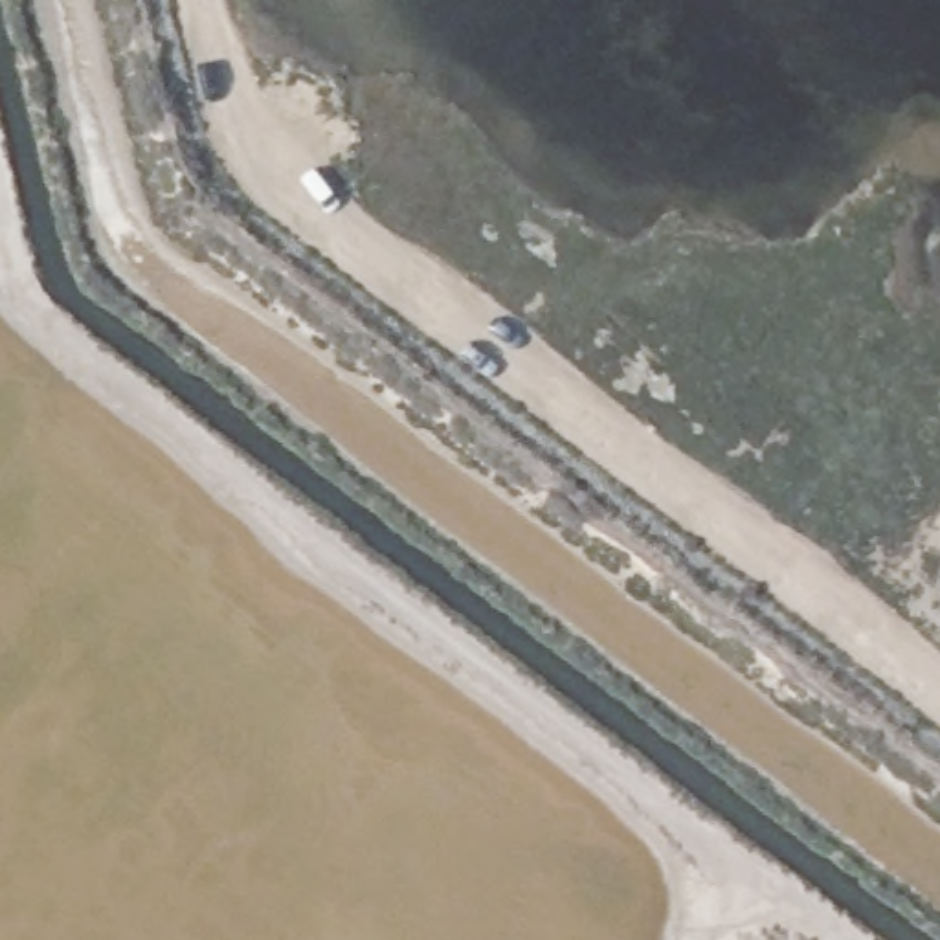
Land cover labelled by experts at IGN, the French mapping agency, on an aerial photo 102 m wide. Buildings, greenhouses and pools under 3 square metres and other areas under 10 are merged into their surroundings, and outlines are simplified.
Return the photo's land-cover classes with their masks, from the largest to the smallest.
<instances>
[{"label":"water","instance_id":"1","mask_svg":"<svg viewBox=\"0 0 940 940\"><path fill-rule=\"evenodd\" d=\"M257 15L275 22V33L283 40H294L301 51H312L323 66H349L356 77L411 73L441 99L463 106L485 132L492 154L525 187H532L551 206L580 213L591 228H602L617 239H635L661 213L698 217L738 235L793 239L804 235L841 195L856 191L878 169V162H896L903 173L929 176L918 191L922 202L911 235L925 239V250H940V0H250ZM0 129L37 279L44 294L73 323H81L103 349H110L118 360H125L158 389H165L187 415H195L206 430L224 437L239 455L264 470L297 503L312 507L327 525L341 529L367 558L389 565L404 584L437 602L452 621L470 628L492 650L510 657L525 676L547 687L565 709H573L606 738H613L624 753L654 767L683 800L720 819L738 841L764 852L782 870L797 874L808 889H815L823 900H830L841 914H848L859 929L874 933L878 940H929L907 918L878 903L870 892H863L830 859H819L778 823L745 804L723 778L690 760L679 745L650 731L595 679L580 676L554 650L532 639L525 628H518L510 617L492 610L441 562L404 543L367 507L353 503L341 488L323 481L305 459L290 455L283 444L264 437L198 375H187L140 330L92 305L77 290L62 261L48 187L37 165L29 114L18 88L15 51L7 44L0 18ZM668 918V889L661 867L650 856V848L591 789L569 778L558 764L536 753L503 720L485 712L437 672L411 661L382 635H375L327 591L290 573L253 536V529L242 518L224 510L154 441L125 426L77 382H70L40 349H33L0 316V940H661Z\"/></svg>","mask_w":940,"mask_h":940},{"label":"herbaceous vegetation","instance_id":"2","mask_svg":"<svg viewBox=\"0 0 940 940\"><path fill-rule=\"evenodd\" d=\"M0 18L7 44L15 51L18 88L29 114L37 165L48 187L62 261L77 290L92 305L140 330L187 375H198L264 437L283 444L290 455L305 459L323 481L341 488L353 503L367 507L404 543L441 562L492 610L510 617L518 628H525L532 639L554 650L580 676L595 679L650 731L679 745L690 760L723 778L745 804L778 823L819 859H830L863 892H870L878 903L907 918L929 940H940V907L911 892L907 885L892 881L885 870L870 867L852 845L823 830L782 793H775V786L764 775L734 760L698 723L676 716L661 698L643 690L632 676L613 668L595 646L573 635L558 617L543 613L492 569L474 562L455 540L430 529L389 488L360 474L353 463H345L323 433L297 426L279 404L257 397L250 382L224 367L173 316L143 301L114 275L92 235V209L70 143V121L59 103L55 66L40 37L33 0H0ZM103 33V51L110 62V81L121 103V125L129 136L136 184L151 224L165 235L169 246H176L187 261L209 268L217 279H228L235 272L257 279V305L283 301L286 308H294L312 327L316 349H334L345 371H356V360H364L371 375H378V393H400V408L411 426L433 433L470 470L496 474V485H503L507 492L521 496L532 488V477L518 463L521 452H532L540 463L554 470V477H562L547 503L536 507L540 521L554 525L591 562L621 569L628 565V558L584 536V521L610 518L628 525L632 536H639L657 554L672 558L676 569H683L701 591L738 606L775 643L789 646L800 661L830 676V683L848 690L856 701L870 705L889 727L907 734L925 756L940 764V723L929 720L889 679L852 661V654H845L826 632L804 621L797 610H789L764 580L738 569L705 536L665 514L654 499L639 496L599 459H591L580 444L562 437L525 400L510 397L470 360L419 330L404 312L375 297L360 279L338 268L334 257L308 246L283 220L268 217L261 239H253L235 217L220 213L213 202L187 198V165L180 158V140H151V129L173 118L169 95L158 81V55L129 51L132 33L151 22L147 0H92ZM261 88L312 84L319 95V114L345 118L356 129L349 158H334L319 173L334 202L360 206L393 235L422 246L426 253L463 272L474 286H481L503 305V316L525 319L529 312H536V334L554 353H562L576 371H584L613 404H621L639 422L654 426L668 444H676L705 470L742 488L749 499L771 510L775 521L826 547L837 558V565L859 580L870 569L874 547L907 554L918 525L940 514V250H925V239L911 235L922 202L918 191L929 176L903 173L896 162H878V169L856 191L841 195L804 235L793 239L738 235L698 217L661 213L635 239H617L602 228H591L580 213L551 206L532 187H525L492 154L485 132L463 106L441 99L411 73L356 77L349 66H323L312 51H301L294 40H283L275 33V22L257 15L250 0H224ZM521 220H532L543 231H551L554 261H540L529 253L521 239ZM639 349L650 353V367L657 375L672 378V400H657L650 397V389L628 393L617 386V378ZM628 595L665 613L683 635L731 661L734 672L753 661V654L742 643L716 639L701 624H694L668 595L654 591L643 576H635L628 580ZM789 716L845 745L856 760L889 767L896 778L918 789L933 786L925 771H918L911 760L885 745L878 731L852 727L845 712L819 701H782Z\"/></svg>","mask_w":940,"mask_h":940},{"label":"pervious surface","instance_id":"3","mask_svg":"<svg viewBox=\"0 0 940 940\"><path fill-rule=\"evenodd\" d=\"M40 37L55 66L59 103L70 121V143L92 209V235L114 275L143 301L173 316L224 367L250 382L257 397L279 404L297 426L323 433L345 463H353L360 474L389 488L430 529L455 540L474 562L492 569L543 613L558 617L573 635L595 646L613 668L632 676L643 690L661 698L676 716L698 723L734 760L764 775L775 786V793H782L823 830L852 845L870 867L885 870L892 881L907 885L911 892L940 907V764L925 756L907 734L889 727L870 705L856 701L848 690L830 683V676L800 661L789 646L775 643L738 606L701 591L683 569H676L672 558L657 554L639 536H632L628 525L610 518L584 521V536L628 558V565L621 569L591 562L554 525L540 521L536 507L547 503L562 477H554V470L540 463L532 452H521L518 463L532 477V488L521 496L507 492L503 485H496V474L470 470L433 433L411 426L400 408V393H378V375H371L364 360H356V371H345L334 349H316L312 327L294 308H286L283 301L257 305V279L235 272L228 279H217L209 268L187 261L176 246H169L165 235L151 224L136 184L129 136L121 125V103L110 81V62L103 51V33L92 0H33ZM635 576H643L654 591L668 595L694 624H701L716 639L742 643L753 654V661L734 672L731 661L683 635L665 613L628 595V580ZM782 701H819L845 712L852 727L878 731L885 745L911 760L918 771H925L933 786L918 789L896 778L889 767L856 760L845 745L789 716ZM151 22L132 33L129 51L158 55V81L169 95L173 118L151 129V140H180V158L187 165V198L213 202L220 213L235 217L253 239H261L268 217L283 220L308 246L334 257L338 268L360 279L375 297L404 312L419 330L470 360L510 397L525 400L562 437L580 444L591 459H599L639 496L654 499L665 514L705 536L738 569L764 580L789 610H797L804 621L826 632L845 654H852V661L889 679L929 720L940 723V654L859 580L837 565V558L826 547L775 521L771 510L749 499L742 488L705 470L676 444H668L654 426L639 422L621 404H613L584 371H576L562 353H554L536 334V312H529L525 319L503 316V305L481 286H474L463 272L426 253L422 246L393 235L360 206L334 202L319 173L334 158H349L356 129L345 118L319 114V95L312 84L261 88L224 0H147ZM0 316L33 349H40L70 382H77L125 426L154 441L224 510L242 518L253 529V536L290 573L327 591L375 635H382L411 661L437 672L485 712L503 720L536 753L558 764L569 778L591 789L650 848V856L661 867L668 889V918L661 940H878L874 933L859 929L848 914H841L830 900H823L815 889H808L797 874L782 870L764 852L738 841L720 819L683 800L654 767L624 753L613 738H606L573 709H565L547 687L525 676L510 657L492 650L470 628L452 621L437 602L404 584L389 565L367 558L341 529L327 525L312 507L297 503L264 470L239 455L224 437L206 430L195 415H187L165 389H158L125 360H118L110 349H103L81 323H73L44 294L37 279L0 129Z\"/></svg>","mask_w":940,"mask_h":940},{"label":"bare soil","instance_id":"4","mask_svg":"<svg viewBox=\"0 0 940 940\"><path fill-rule=\"evenodd\" d=\"M521 239L529 253L540 261H554L551 231H543L532 220H521ZM617 386L628 393L650 389V397L657 400H672V378L657 375L650 367V353L639 349L617 378ZM940 654V514L918 525L907 554L874 547L870 569L859 580Z\"/></svg>","mask_w":940,"mask_h":940}]
</instances>
